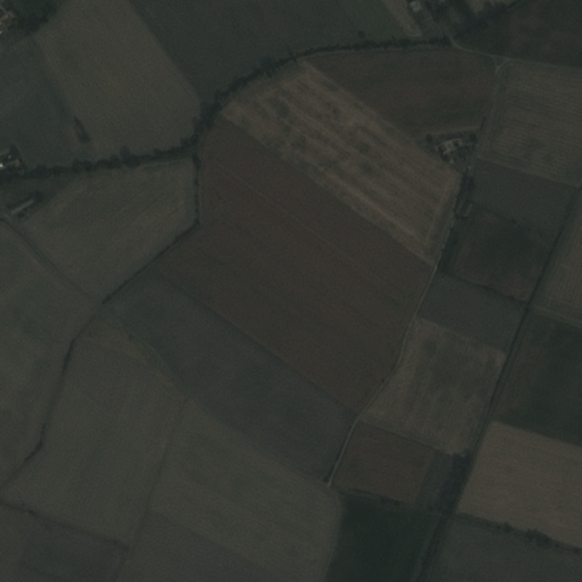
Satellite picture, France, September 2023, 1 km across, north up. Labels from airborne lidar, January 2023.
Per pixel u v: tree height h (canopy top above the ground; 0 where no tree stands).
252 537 0
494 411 0
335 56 0
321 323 0
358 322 0
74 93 0
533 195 0
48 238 0
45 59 0
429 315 0
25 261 0
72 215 0
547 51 0
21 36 0
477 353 0
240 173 0
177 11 0
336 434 0
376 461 0
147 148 0
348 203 0
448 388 0
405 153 0
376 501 0
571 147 0
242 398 0
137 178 0
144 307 0
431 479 0
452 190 0
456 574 0
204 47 0
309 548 0
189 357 0
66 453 0
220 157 0
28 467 0
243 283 0
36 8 0
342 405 0
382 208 0
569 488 0
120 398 0
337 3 0
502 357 0
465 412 0
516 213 0
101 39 0
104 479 0
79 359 0
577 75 0
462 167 0
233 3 0
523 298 0
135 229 0
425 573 6
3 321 0
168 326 0
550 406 0
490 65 0
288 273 0
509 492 0
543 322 0
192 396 0
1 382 0
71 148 0
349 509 0
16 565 0
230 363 0
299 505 0
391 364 0
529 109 0
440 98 0
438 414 0
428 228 0
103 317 0
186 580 0
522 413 0
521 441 0
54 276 0
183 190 0
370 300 0
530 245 0
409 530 0
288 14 0
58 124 0
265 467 0
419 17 0
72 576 0
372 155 0
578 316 0
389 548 0
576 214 0
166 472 0
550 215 0
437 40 8
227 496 0
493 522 0
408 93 0
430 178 0
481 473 0
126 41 0
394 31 0
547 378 0
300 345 0
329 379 0
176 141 0
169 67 0
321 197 0
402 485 0
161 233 0
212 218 0
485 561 0
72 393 0
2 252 0
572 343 0
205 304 0
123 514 0
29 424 0
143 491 0
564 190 0
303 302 0
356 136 0
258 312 0
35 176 9
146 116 0
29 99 0
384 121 0
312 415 0
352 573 0
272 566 0
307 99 0
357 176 0
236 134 0
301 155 0
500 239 0
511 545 0
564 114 0
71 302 0
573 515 0
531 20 0
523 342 0
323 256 0
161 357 0
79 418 0
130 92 0
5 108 0
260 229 0
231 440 0
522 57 0
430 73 0
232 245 0
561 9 0
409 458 0
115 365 0
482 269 0
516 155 0
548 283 0
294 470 0
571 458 0
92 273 0
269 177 0
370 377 0
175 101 0
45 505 0
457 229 0
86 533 0
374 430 0
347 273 0
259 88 0
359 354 0
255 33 0
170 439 0
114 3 0
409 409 0
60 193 0
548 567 0
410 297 0
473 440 0
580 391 0
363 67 0
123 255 0
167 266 0
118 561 0
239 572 0
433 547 8
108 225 0
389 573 0
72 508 0
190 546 0
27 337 0
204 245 0
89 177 0
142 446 0
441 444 0
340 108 0
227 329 0
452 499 10
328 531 0
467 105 0
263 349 0
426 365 0
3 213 0
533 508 0
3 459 0
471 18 0
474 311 0
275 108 0
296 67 0
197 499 0
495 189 0
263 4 0
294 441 0
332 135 0
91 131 0
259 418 0
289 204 0
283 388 0
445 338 0
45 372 0
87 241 0
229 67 0
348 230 0
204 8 0
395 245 0
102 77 0
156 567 0
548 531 0
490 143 0
